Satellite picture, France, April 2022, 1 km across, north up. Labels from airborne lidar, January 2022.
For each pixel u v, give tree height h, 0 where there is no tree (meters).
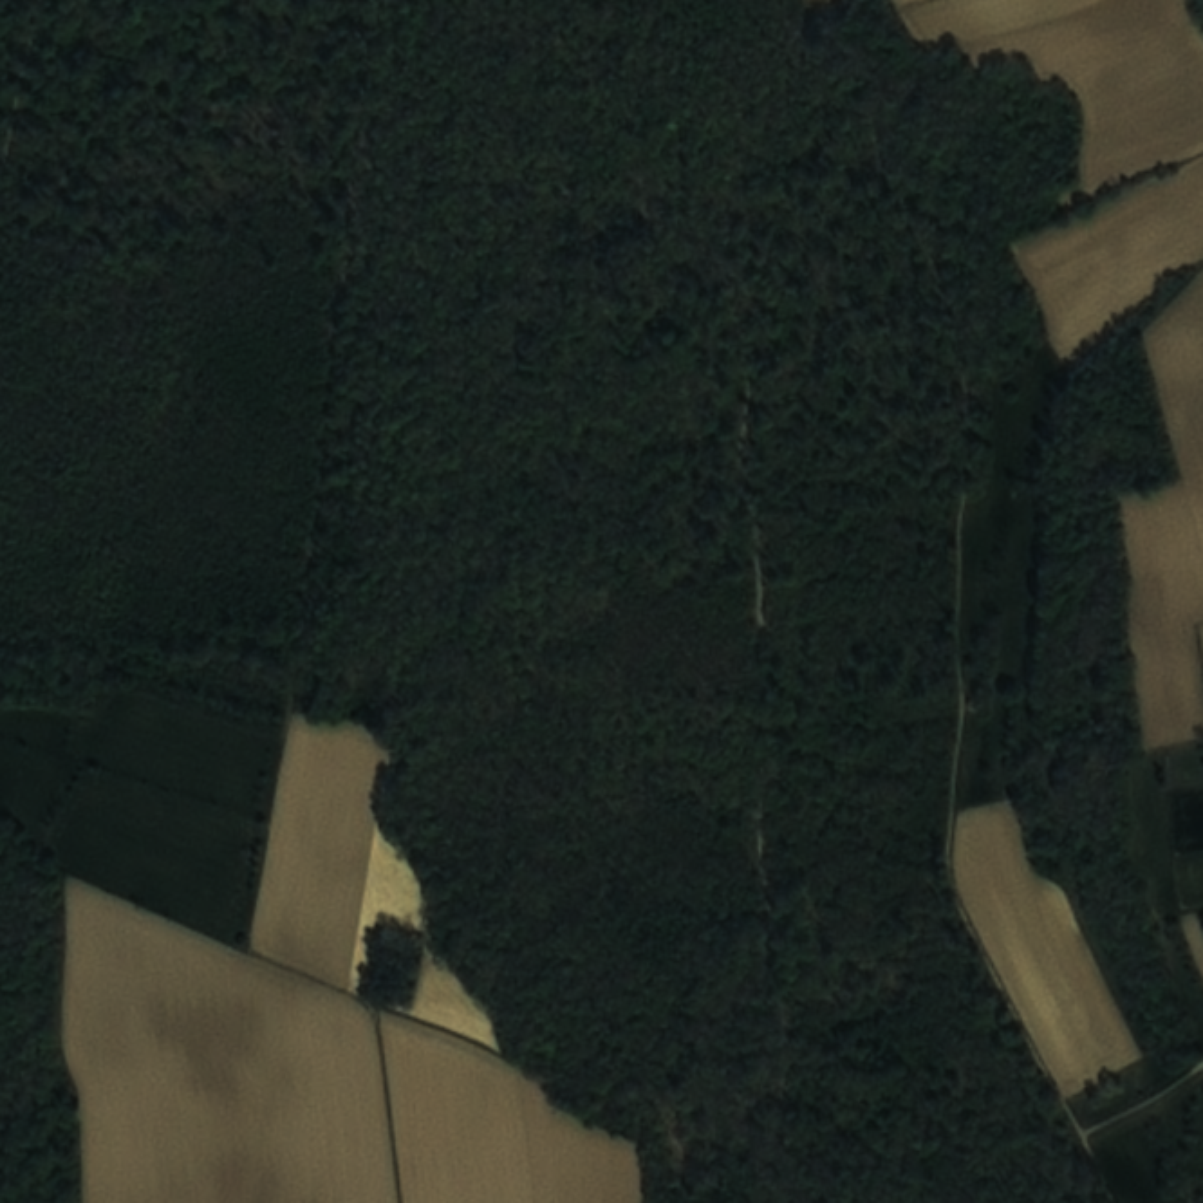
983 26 0
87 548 17
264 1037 0
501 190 29
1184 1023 25
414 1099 0
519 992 25
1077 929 0
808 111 21
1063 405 24
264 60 34
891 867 11
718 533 23
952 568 9
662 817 14
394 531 27
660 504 26
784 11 21
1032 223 7
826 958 8
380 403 25
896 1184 26
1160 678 0
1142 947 25
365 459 25
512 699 25
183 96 18
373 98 27
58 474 16
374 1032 0
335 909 0
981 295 25
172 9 31
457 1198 0
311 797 0
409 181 28
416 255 28
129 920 0
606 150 28
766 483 10
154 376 19
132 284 20
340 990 0
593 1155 0
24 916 23
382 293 20
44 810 0
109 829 0
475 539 28
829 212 34
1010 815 0
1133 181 7
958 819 0
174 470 16
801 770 13
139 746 0
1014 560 0
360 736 0
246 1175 0
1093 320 0
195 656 26
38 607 16
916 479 27
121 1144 0
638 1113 23
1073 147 11
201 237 14
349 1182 0
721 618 16
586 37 28
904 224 34
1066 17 0
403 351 26
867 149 29
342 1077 0
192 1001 0
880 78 32
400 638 28
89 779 0
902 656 15
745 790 20
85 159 29
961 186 22
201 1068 0
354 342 13
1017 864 0
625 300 25
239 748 0
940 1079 28
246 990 0
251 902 0
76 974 0
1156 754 0
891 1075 28
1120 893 23
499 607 26
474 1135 0
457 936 27
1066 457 21
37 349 16
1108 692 28
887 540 8
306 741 0
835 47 36
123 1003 0
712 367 26
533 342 25
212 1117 0
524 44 30
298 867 0
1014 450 0
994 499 0
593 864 21
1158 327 0
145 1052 0
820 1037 20
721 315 32
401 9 26
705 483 23
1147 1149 0
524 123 25
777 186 32
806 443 27
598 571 24
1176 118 0
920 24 0
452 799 20
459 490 29
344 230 31
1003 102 21
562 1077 18
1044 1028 0
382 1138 0
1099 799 24
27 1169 27
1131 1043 0
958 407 33
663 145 29
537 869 24
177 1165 0
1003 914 0
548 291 29
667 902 15
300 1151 0
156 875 0
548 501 31
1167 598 0
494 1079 0
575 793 24
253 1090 0
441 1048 0
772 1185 31
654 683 19
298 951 0
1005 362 24
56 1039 22
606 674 23
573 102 28
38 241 18
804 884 35
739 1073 30
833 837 11
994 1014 29
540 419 28
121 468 16
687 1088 33
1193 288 0
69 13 30
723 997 25
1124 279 0
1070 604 21
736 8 23
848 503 11
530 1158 0
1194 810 0
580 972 26
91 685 25
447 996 0
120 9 30
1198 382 0
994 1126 14
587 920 21
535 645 23
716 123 29
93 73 29
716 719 25
